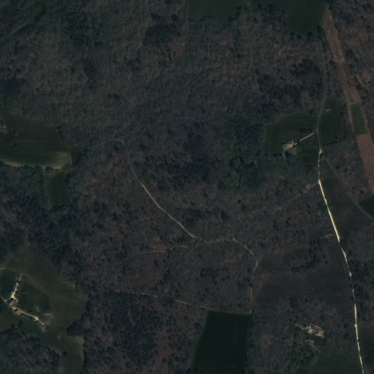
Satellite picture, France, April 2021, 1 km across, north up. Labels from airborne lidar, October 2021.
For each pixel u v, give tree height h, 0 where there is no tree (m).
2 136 0
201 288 7
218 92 6
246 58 17
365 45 11
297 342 18
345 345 19
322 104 19
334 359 0
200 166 31
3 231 13
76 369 0
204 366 0
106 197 15
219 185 20
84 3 15
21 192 22
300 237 10
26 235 22
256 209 16
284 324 14
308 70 21
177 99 20
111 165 19
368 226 8
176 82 15
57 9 17
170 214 11
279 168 22
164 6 16
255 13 9
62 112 27
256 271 7
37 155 0
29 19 21
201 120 9
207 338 0
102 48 22
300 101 15
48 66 20
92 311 24
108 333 13
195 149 29
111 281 12
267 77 14
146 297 12
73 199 9
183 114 15
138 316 13
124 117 18
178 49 9
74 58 16
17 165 0
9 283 0
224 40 16
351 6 14
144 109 17
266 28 15
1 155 0
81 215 24
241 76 13
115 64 19
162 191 28
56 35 20
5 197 12
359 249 10
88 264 7
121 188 7
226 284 6
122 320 15
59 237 21
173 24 12
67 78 14
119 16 19
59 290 0
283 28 12
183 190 30
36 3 16
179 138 14
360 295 20
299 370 0
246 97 13
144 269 8
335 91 5
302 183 17
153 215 6
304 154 0
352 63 7
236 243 9
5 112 0
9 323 0
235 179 15
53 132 0
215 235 7
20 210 19
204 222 24
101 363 23
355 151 12
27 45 17
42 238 29
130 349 16
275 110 25
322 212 14
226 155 14
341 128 0
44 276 0
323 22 0
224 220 21
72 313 0
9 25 9
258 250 12
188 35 7
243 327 0
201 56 20
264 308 9
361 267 12
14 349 16
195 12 0
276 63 11
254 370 7
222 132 22
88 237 15
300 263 7
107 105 15
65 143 22
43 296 0
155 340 9
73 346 0
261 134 20
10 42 15
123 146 10
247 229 11
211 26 17
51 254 19
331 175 6
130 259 7
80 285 11
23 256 0
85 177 21
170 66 17
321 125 0
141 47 16
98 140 15
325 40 10
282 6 0
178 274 7
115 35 13
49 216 21
